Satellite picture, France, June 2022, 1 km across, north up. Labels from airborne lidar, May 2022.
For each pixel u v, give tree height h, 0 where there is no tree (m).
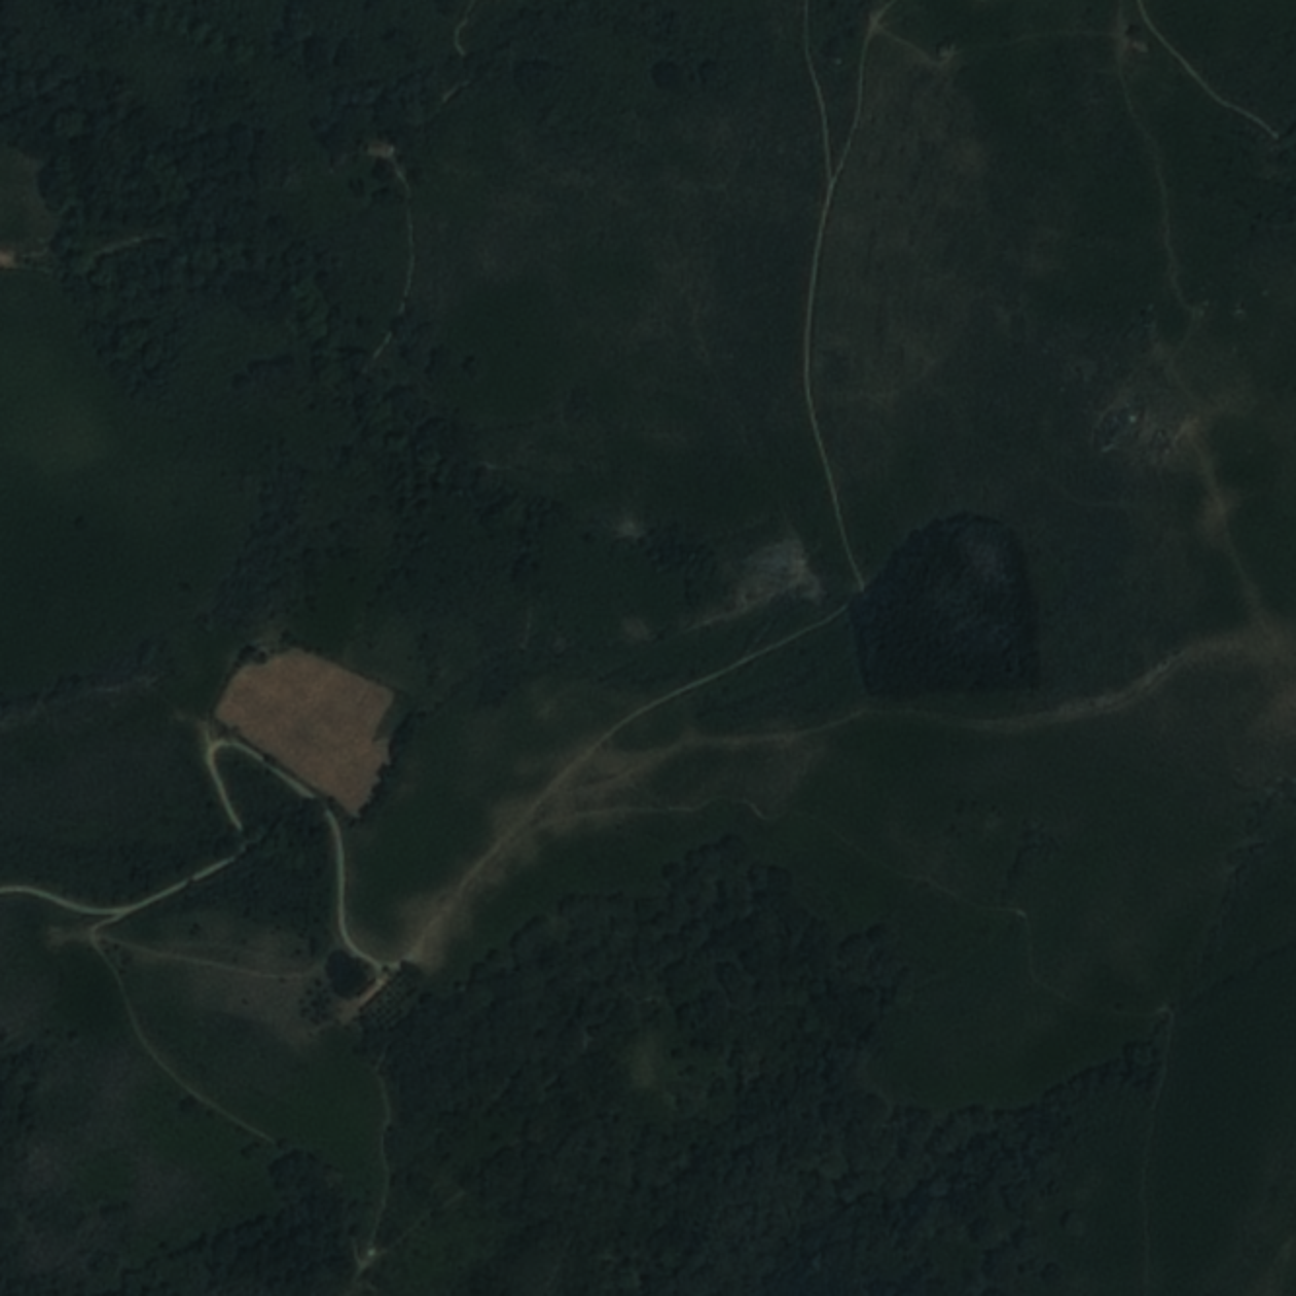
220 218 22
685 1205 18
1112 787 0
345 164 8
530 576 13
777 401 0
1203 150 0
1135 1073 17
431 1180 6
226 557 0
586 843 0
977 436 0
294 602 5
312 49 21
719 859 17
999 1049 0
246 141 23
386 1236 6
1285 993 0
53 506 0
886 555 0
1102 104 0
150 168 22
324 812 10
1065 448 0
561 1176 20
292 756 0
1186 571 0
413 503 9
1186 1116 0
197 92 16
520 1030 15
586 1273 6
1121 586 0
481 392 0
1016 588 27
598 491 0
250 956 0
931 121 0
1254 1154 0
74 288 9
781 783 0
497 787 0
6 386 0
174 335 9
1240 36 0
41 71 8
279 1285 19
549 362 0
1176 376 0
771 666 0
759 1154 24
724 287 0
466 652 0
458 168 0
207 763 0
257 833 16
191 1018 0
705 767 0
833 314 0
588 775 0
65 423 0
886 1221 17
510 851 0
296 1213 7
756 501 0
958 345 0
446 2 14
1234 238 0
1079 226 0
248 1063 0
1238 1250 0
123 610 0
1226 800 0
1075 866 0
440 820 0
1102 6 0
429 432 15
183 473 0
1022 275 0
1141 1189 0
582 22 5
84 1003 0
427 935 0
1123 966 0
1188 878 0
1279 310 0
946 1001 0
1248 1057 0
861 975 12
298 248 15
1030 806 0
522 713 0
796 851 0
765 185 0
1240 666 0
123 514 0
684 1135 8
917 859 0
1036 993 0
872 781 0
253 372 13
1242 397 0
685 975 17
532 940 15
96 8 6
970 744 0
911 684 19
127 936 0
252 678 0
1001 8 0
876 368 0
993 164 0
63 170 21
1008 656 21
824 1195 22
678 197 0
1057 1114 10
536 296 0
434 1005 10
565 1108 21
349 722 0
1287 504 0
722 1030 16
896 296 0
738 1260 16
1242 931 0
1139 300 0
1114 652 0
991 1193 12
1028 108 0
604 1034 18
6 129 17
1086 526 0
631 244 0
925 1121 20
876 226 0
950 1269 0
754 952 17
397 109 22
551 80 15
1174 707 0
